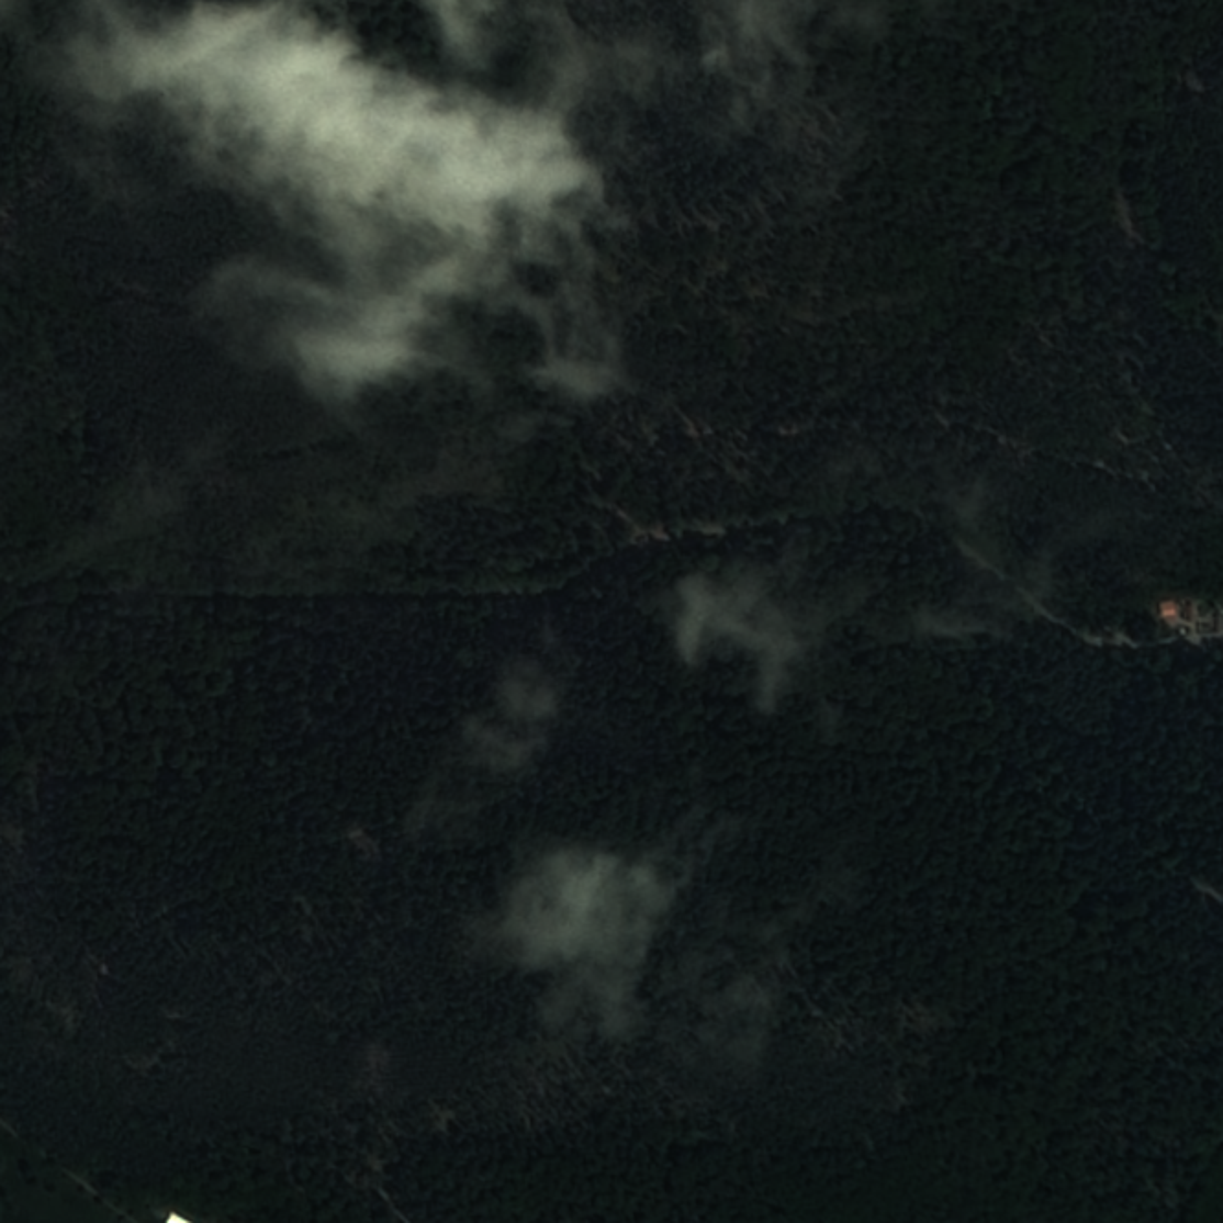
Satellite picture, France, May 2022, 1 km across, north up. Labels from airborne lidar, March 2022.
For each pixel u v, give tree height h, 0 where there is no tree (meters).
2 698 33
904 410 32
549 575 25
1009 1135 29
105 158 22
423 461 17
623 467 29
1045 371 21
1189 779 30
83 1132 23
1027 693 13
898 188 17
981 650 30
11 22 24
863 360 18
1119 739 31
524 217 20
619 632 31
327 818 26
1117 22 25
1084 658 23
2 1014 19
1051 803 12
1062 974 26
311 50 31
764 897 28
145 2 29
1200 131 22
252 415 24
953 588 33
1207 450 28
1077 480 22
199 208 22
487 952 27
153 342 26
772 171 27
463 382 10
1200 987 26
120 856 28
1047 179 28
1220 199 22
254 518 23
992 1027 19
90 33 25
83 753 32
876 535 26
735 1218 23
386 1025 25
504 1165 26
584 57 27
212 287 24
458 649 30
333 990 19
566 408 34
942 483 34
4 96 19
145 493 24
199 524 28
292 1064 20
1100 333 26
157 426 26
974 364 22
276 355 22
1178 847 32
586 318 19
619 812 27
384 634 29
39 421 17
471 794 25
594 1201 30
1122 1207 31
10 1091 20
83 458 31
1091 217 25
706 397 21
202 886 30
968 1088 26
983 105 20
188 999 20
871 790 28
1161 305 25
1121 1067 27
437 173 21
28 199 24
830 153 28
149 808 33
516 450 24
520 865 27
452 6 11
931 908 31
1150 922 32
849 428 19
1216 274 22
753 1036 20
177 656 34
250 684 26
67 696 32
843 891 29
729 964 28
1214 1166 9
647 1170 29
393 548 24
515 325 25
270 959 26
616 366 25
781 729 35
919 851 30
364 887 25
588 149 23
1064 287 33
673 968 23
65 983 20
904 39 16
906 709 30
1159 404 26
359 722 31
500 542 39
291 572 21
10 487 31
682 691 21
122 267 21
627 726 33
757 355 26
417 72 38
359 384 22
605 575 23
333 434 15
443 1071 22
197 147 27
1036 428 21
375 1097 22
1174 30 23
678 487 28
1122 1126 15
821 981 23
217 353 23
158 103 26
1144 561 19
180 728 31
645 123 28
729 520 20
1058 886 29
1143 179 26
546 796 29
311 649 27
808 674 32
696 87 26
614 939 26
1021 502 23
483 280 15
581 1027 27
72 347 36
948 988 26
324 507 9
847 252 17
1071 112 29
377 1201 31
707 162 31
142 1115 21
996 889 33
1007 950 32
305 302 18
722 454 28
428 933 29
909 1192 15
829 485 31
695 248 17
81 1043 14
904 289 13
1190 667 30
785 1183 19
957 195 21
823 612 33
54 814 18
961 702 33
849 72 15
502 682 28
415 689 31
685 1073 17
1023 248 30
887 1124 15
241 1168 21
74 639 31
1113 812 26
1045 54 30
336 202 30
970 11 18
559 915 28
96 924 27
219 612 27
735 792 26
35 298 31
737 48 28
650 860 27
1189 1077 27
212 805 26
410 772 26
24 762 27
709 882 27
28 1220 0
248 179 33
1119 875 31
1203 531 14
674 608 30
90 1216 0
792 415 23
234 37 32
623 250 12
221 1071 21
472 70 19
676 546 8
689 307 17
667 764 29
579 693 34
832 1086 17
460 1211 27
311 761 26
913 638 36
